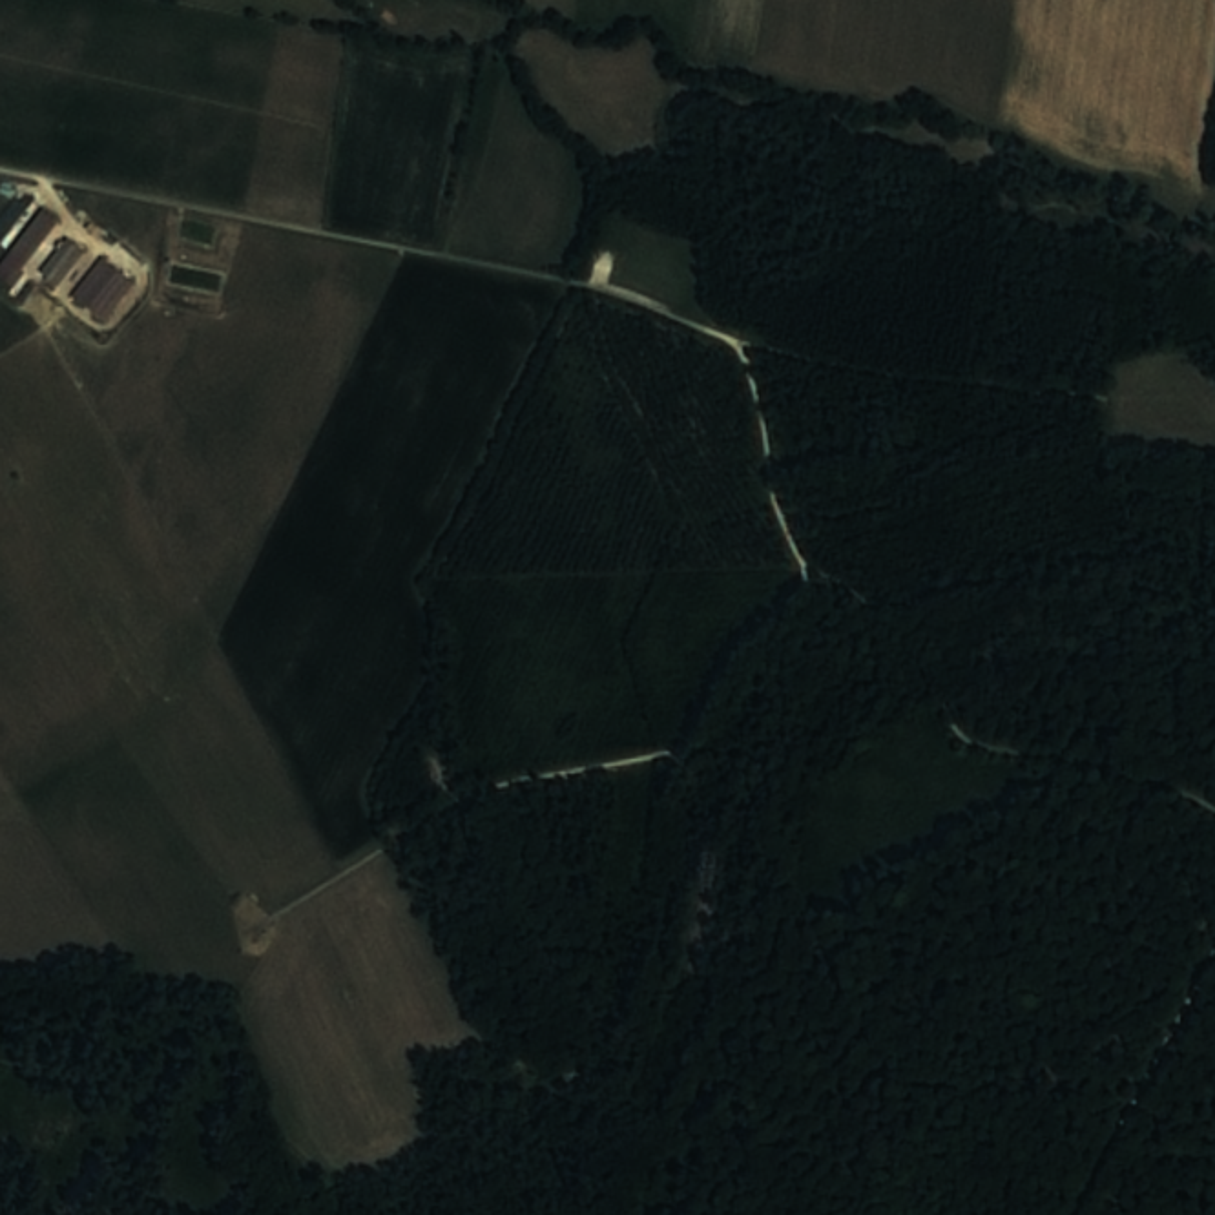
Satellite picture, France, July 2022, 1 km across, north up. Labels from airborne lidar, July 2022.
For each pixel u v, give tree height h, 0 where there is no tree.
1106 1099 27
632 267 0
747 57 0
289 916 0
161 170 0
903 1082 23
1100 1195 24
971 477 19
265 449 0
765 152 24
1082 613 20
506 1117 22
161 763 0
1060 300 22
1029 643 29
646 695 6
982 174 14
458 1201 20
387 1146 0
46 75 0
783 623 29
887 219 25
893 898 30
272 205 0
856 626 29
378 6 0
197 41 0
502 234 0
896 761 0
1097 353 29
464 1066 27
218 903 0
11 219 0
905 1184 19
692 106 24
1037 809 29
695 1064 32
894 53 0
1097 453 10
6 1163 35
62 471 0
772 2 0
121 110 0
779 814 26
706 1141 29
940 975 28
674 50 6
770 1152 28
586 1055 28
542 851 24
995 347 22
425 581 11
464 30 0
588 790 14
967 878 26
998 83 0
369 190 0
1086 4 0
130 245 0
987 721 29
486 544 9
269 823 0
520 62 17
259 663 0
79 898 0
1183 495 29
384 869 0
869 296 22
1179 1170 21
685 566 8
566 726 9
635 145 0
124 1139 0
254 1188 31
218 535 0
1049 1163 25
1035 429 13
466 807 10
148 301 0
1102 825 24
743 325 23
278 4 0
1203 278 6
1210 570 18
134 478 0
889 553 10
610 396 8
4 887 0
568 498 6
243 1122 28
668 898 9
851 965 29
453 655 19
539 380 8
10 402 0
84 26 0
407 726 14
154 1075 33
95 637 0
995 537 10
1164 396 0
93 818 0
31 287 0
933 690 22
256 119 0
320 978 0
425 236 0
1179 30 0
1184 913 23
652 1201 6
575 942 27
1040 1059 26
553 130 18
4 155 0
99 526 0
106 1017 32
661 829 11
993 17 0
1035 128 0
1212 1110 28
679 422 12
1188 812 24
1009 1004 21
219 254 0
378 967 0
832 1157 25
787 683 29
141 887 0
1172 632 19
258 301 0
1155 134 0
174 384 0
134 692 0
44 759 0
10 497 0
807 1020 27
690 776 27
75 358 0
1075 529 7
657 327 6
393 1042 0
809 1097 30
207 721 0
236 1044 33
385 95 0
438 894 30
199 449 0
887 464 29
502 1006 29
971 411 16
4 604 0
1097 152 0
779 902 32
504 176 0
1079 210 26
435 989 0
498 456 10
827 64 0
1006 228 18
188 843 0
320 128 0
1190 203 0
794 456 7
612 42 17
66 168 0
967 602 29
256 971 0
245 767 0
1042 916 22
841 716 14
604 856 11
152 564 0
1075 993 21
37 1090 37
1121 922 16
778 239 19
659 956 25
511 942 33
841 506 17
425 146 0
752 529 11
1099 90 0
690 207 16
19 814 0
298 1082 0
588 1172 29
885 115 15
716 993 26
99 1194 30
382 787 14
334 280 0
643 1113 24
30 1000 26
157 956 0
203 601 0
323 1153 0
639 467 6
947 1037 23
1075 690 30
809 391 16
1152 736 27
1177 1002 22
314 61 0
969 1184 23
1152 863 22
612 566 8
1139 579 17
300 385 0
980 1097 24
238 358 0
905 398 21
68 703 0
